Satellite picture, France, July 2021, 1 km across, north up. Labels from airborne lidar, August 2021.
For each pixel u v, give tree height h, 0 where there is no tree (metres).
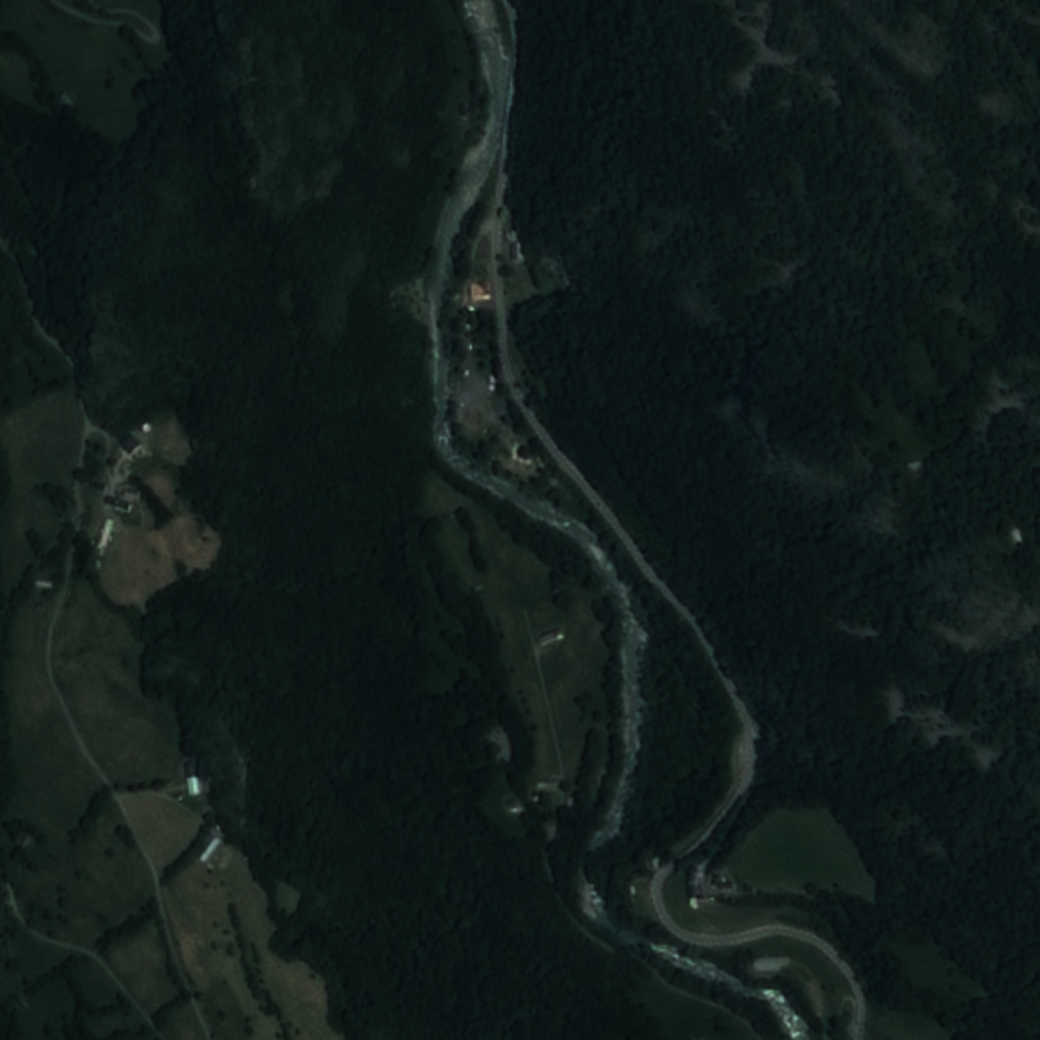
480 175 0
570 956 18
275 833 14
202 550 0
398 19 24
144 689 12
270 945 7
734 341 25
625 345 17
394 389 14
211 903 0
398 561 13
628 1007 14
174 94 21
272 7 11
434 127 15
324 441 22
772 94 13
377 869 24
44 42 0
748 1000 17
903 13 12
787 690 12
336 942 26
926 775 17
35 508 0
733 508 20
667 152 16
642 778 22
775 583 17
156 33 0
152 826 0
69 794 0
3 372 22
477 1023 26
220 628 16
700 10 10
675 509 18
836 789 20
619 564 20
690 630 17
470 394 0
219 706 19
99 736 0
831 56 12
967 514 14
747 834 10
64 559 11
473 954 22
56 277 22
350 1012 24
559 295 11
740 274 14
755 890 7
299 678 27
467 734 18
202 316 18
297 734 20
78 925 0
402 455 20
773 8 7
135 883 0
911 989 15
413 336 11
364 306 18
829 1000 0
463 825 20
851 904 17
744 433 8
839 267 13
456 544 0
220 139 13
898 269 14
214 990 0
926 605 14
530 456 17
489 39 0
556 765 0
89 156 18
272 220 26
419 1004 18
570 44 12
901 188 9
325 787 26
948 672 17
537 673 0
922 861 12
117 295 7
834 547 24
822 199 15
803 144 15
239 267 9
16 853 13
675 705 18
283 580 27
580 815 13
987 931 24
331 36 11
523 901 15
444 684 0
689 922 0
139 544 0
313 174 12
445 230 0
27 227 15
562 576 10
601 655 0
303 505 24
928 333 13
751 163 12
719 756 7
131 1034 10
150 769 0
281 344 21
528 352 14
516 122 16
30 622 0
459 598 20
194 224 8
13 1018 11
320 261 13
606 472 19
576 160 16
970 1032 17
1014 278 24
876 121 10
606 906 13
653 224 6
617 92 19
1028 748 24
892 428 0
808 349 19
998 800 15
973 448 17
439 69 26
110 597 7
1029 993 23
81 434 0
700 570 13
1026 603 7
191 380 10
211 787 6
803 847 0
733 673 21
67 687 0
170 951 9
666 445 20
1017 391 6
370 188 20
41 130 11
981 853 25
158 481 0
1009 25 12
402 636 14
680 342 23
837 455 11
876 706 22
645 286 12
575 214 13
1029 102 8
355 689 17
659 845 18
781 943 0
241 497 13
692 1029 0
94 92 0
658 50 13
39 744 0
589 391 27
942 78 9
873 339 15
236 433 11
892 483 8
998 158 7
